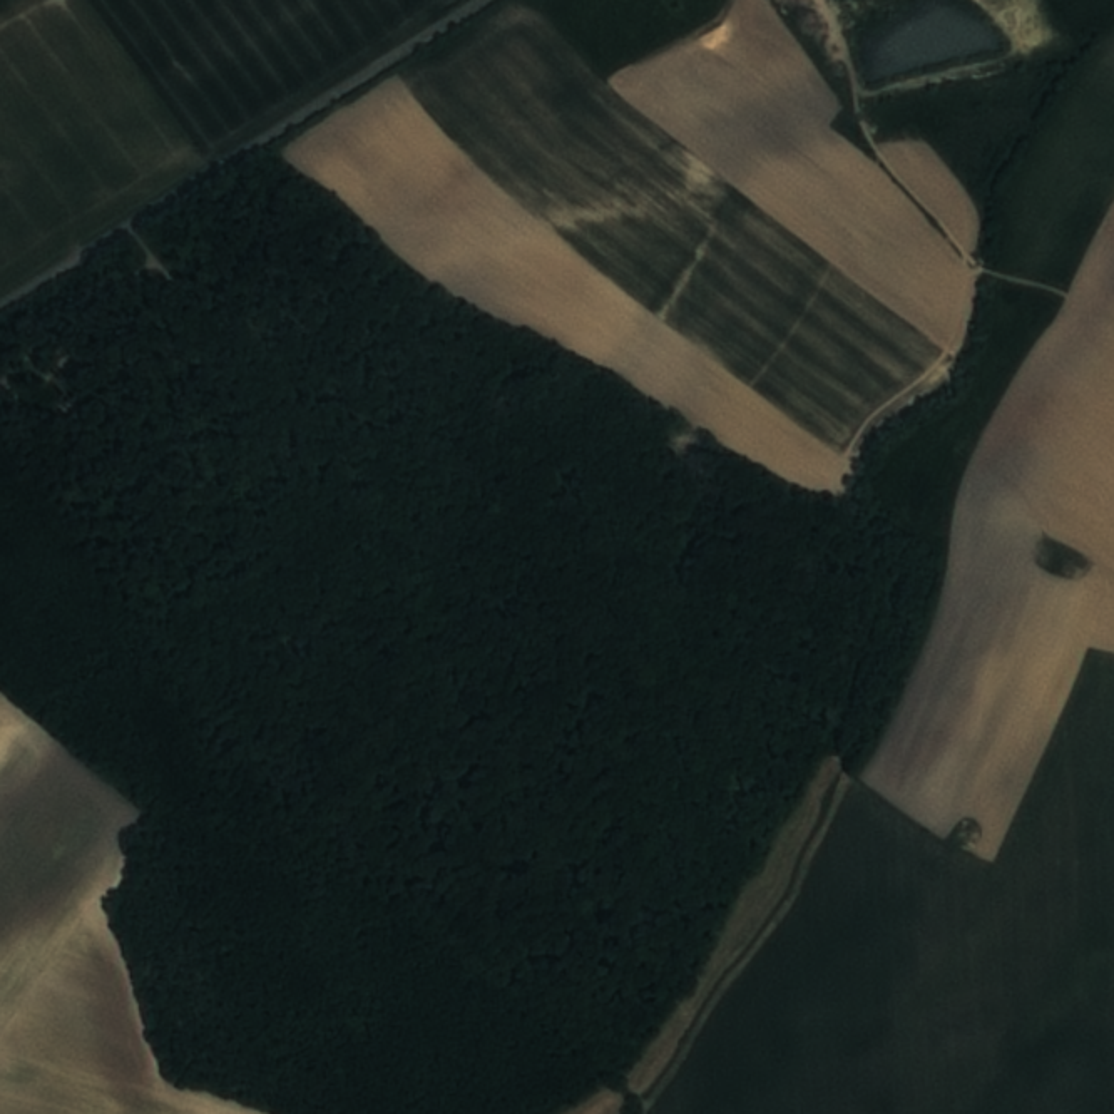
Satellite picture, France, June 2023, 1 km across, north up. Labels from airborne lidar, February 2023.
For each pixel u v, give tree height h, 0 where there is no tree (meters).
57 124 0
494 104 0
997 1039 0
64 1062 0
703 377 0
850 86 0
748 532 25
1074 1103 0
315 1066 15
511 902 29
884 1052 0
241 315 27
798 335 0
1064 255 0
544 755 28
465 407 19
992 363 0
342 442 23
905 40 0
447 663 28
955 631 0
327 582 25
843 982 0
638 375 0
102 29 0
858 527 22
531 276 0
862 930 0
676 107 0
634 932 33
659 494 28
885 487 0
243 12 0
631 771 30
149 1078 0
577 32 0
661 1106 0
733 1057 0
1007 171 11
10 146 0
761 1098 0
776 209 0
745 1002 0
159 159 0
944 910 0
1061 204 0
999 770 0
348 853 29
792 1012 0
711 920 24
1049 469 0
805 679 27
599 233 0
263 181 21
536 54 0
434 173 0
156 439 27
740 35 0
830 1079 0
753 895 0
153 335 29
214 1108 0
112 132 0
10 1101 0
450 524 25
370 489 23
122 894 11
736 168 0
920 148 0
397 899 22
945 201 0
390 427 25
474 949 22
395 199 0
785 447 0
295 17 0
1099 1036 0
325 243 26
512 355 16
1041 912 0
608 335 0
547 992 26
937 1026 0
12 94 0
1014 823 0
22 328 23
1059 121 0
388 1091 16
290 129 9
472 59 0
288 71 0
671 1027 0
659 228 0
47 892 0
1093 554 0
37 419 25
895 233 0
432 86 0
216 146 0
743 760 25
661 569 25
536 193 0
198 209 23
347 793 31
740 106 0
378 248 16
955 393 13
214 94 0
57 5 0
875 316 0
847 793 0
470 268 0
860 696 22
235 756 28
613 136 0
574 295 0
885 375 0
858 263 0
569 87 0
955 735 0
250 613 27
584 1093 13
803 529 26
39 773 0
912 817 0
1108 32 0
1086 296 0
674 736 21
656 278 0
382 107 0
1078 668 0
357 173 0
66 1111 0
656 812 29
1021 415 0
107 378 28
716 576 27
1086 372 0
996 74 0
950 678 0
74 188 0
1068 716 0
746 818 23
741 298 0
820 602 27
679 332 0
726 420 0
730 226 0
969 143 0
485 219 0
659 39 0
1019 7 0
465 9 0
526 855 34
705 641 29
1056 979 0
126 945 14
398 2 0
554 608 29
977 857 0
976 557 0
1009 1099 0
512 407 23
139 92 0
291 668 30
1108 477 0
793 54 0
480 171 0
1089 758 0
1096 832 0
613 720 27
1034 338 0
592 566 28
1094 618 0
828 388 0
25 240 0
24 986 0
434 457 24
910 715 0
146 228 20
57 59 0
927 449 0
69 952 0
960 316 0
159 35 0
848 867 0
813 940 0
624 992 33
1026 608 0
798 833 0
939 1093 0
